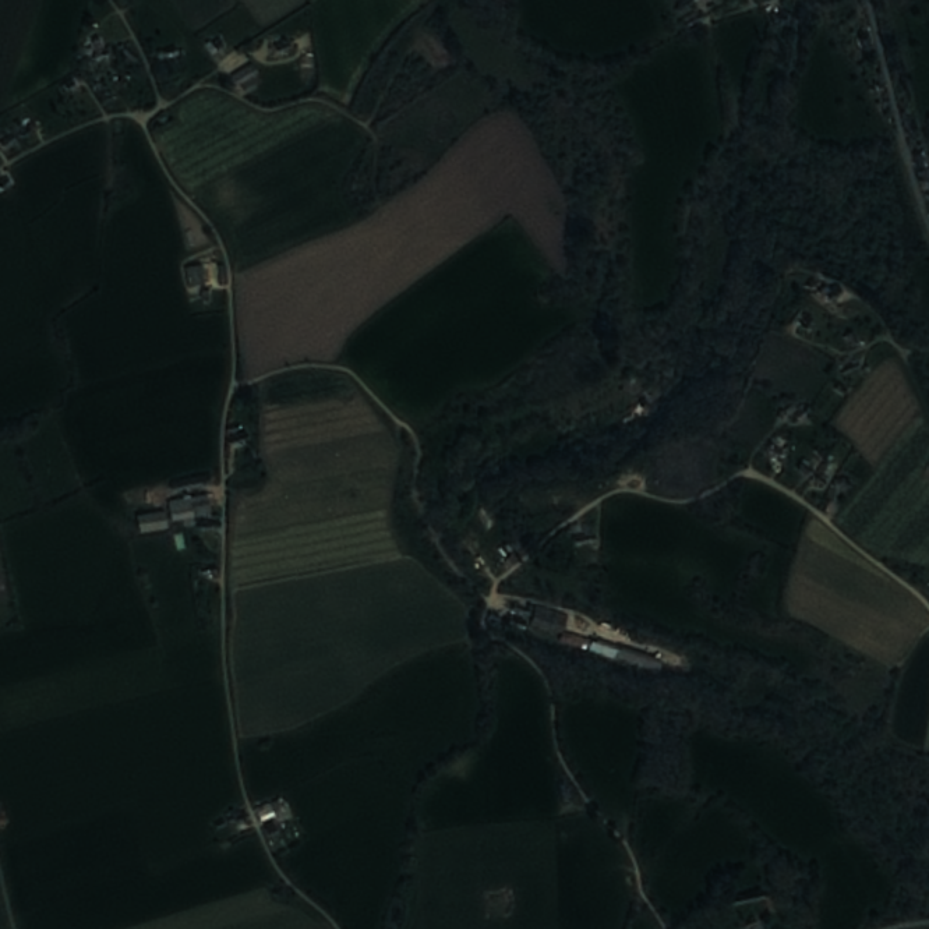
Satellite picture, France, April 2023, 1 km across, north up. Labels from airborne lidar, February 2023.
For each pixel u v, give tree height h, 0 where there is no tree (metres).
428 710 0
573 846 0
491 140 0
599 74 5
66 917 0
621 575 0
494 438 16
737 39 0
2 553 6
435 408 0
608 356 27
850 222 9
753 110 12
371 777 0
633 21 0
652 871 0
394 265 0
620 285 18
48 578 0
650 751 17
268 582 0
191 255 0
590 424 11
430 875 0
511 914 0
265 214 0
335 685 0
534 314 0
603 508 0
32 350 0
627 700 13
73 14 0
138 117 0
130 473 0
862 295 15
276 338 0
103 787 0
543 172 0
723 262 0
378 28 0
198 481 0
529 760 0
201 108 0
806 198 14
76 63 0
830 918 0
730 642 0
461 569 17
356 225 0
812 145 6
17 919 0
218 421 0
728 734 8
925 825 17
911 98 8
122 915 0
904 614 0
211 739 0
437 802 0
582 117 10
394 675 0
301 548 0
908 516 0
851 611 0
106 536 0
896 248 12
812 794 0
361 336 0
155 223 0
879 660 0
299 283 0
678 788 20
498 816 0
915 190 0
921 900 13
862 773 10
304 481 0
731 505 8
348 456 0
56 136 0
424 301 0
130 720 0
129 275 0
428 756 0
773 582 0
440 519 20
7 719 0
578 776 7
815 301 0
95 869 0
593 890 0
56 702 0
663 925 10
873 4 15
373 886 0
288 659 0
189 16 0
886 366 0
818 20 11
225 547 0
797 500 0
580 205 17
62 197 0
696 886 0
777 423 0
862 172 12
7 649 0
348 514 0
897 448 0
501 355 0
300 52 0
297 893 13
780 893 29
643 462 0
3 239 0
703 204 14
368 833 0
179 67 12
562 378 15
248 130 0
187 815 0
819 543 0
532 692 0
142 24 0
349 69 0
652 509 0
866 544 0
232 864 0
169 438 0
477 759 0
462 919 0
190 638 0
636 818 0
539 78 0
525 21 0
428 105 0
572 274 9
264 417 0
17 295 0
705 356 19
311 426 0
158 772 0
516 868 0
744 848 0
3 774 0
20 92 0
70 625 0
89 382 0
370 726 0
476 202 0
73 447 0
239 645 0
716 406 19
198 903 0
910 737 0
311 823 0
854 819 18
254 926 0
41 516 0
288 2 0
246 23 0
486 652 24
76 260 0
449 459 20
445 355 0
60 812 0
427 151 0
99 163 0
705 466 0
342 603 0
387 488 0
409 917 0
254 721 0
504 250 0
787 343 0
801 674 6
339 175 0
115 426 0
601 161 9
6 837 0
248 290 0
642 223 0
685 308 19
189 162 0
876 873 0
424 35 0
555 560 10
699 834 0
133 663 0
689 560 0
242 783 0
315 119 0
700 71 0
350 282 0
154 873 0
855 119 0
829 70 0
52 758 0
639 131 0
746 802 0
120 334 0
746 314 15
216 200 0
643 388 9
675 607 0
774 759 0
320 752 0
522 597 0
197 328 0
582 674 16
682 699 14
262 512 0
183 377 0
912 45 9
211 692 0
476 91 0
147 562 0
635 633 15
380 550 0
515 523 6
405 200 0
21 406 0
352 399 0
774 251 8
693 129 0
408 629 0
